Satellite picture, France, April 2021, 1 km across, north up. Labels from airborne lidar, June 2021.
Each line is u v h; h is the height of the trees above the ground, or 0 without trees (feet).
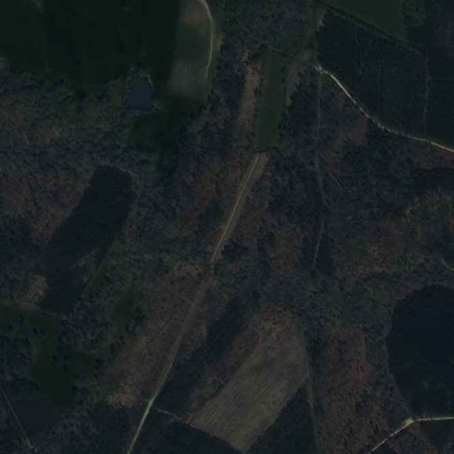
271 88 0
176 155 0
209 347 33
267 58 28
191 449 47
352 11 0
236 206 0
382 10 0
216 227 31
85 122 61
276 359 0
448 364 30
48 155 57
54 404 0
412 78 48
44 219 56
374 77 44
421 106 42
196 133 47
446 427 23
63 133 39
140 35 0
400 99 52
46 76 0
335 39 52
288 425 46
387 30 0
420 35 19
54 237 25
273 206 44
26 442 0
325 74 49
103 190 28
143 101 0
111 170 33
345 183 36
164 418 29
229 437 0
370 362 61
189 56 0
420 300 31
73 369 0
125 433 51
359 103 36
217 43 0
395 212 43
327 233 30
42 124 27
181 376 38
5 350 72
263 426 0
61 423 42
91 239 24
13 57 0
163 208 28
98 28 0
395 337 20
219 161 30
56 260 19
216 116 72
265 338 0
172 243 53
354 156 21
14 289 58
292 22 52
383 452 28
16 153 54
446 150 29
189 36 0
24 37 0
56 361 50
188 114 0
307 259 69
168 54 0
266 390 0
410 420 0
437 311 26
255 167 0
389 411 71
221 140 62
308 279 50
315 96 44
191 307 0
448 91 25
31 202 42
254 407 0
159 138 0
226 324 41
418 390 26
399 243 0
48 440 38
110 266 0
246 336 17
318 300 44
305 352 0
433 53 28
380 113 45
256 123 43
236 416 0
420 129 47
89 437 41
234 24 54
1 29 0
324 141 39
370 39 58
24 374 27
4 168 56
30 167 55
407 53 54
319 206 39
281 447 40
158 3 0
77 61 0
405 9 49
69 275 30
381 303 47
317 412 33
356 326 41
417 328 28
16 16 0
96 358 0
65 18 0
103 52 0
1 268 56
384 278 32
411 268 40
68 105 63
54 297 28
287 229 26
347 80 42
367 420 43
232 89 53
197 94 0
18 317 0
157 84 0
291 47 48
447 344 33
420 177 33
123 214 29
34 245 59
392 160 62
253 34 48
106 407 60
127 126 51
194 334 0
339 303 50
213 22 0
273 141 0
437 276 39
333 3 0
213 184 47
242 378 0
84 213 34
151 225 67
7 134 31
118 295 42
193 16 0
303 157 37
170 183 62
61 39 0
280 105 0
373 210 31
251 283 25
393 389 40
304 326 50
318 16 0
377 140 58
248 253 61
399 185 41
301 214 57
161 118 0
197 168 49
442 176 27
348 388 24
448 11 25
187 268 0
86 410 32
